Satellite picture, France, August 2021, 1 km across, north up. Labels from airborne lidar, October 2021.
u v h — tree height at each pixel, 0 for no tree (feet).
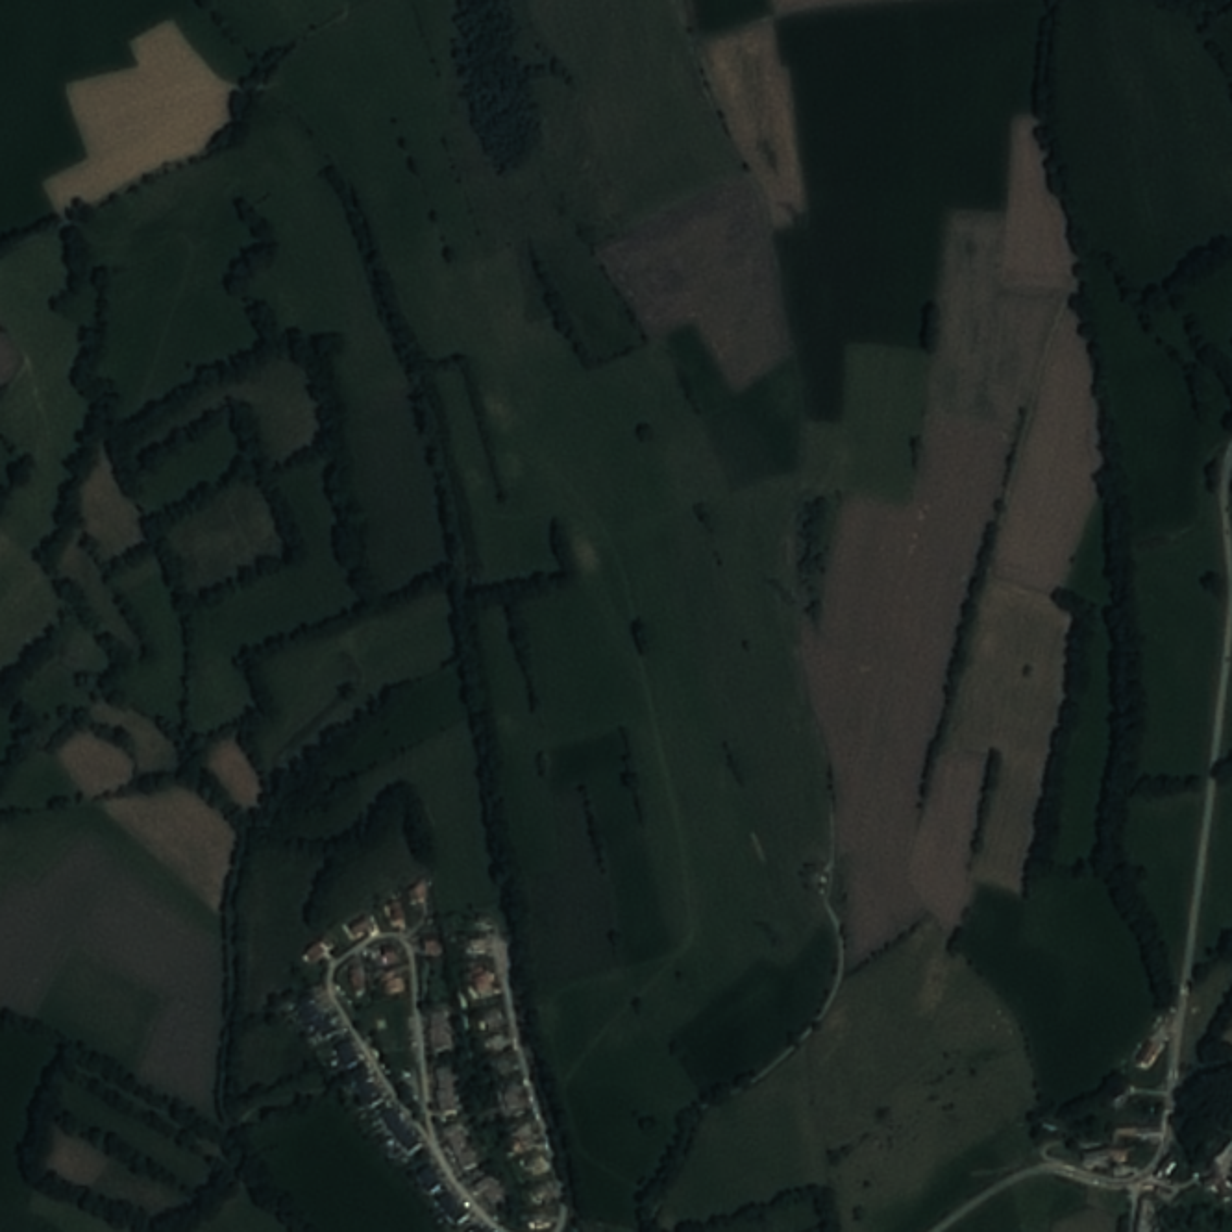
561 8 0
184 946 0
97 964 0
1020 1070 0
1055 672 0
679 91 0
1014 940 0
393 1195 0
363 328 0
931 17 0
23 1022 27
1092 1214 0
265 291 0
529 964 45
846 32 0
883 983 0
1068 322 0
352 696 63
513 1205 49
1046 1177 0
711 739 0
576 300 0
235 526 0
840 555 0
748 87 0
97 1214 61
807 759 0
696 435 0
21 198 0
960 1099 0
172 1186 48
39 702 0
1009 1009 0
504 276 0
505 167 40
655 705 0
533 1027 58
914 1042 0
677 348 0
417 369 60
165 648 0
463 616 53
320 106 0
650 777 0
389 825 51
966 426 0
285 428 0
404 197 0
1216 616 0
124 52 0
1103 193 0
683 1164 29
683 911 0
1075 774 0
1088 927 0
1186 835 0
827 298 0
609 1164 0
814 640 0
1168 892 0
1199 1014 0
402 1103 33
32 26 0
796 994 0
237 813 42
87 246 58
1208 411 44
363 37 0
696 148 0
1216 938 0
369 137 0
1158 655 0
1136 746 76
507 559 0
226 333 0
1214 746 0
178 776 33
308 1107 38
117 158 0
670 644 0
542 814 0
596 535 0
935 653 0
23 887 0
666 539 0
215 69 0
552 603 0
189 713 31
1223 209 0
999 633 0
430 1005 36
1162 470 0
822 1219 53
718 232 0
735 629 0
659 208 0
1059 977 0
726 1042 0
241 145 54
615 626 0
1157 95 0
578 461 0
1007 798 0
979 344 0
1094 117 0
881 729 0
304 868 0
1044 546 0
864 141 0
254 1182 58
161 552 66
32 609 0
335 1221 0
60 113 0
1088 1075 0
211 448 0
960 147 0
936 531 0
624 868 0
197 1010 0
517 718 0
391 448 0
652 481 0
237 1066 38
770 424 0
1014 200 0
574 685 0
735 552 0
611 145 0
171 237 0
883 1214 0
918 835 0
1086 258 56
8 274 0
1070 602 55
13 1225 0
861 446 0
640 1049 0
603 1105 0
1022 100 0
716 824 0
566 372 0
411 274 0
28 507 0
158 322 0
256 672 55
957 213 0
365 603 47
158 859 0
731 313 0
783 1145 0
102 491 0
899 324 0
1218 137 0
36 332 0
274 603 0
